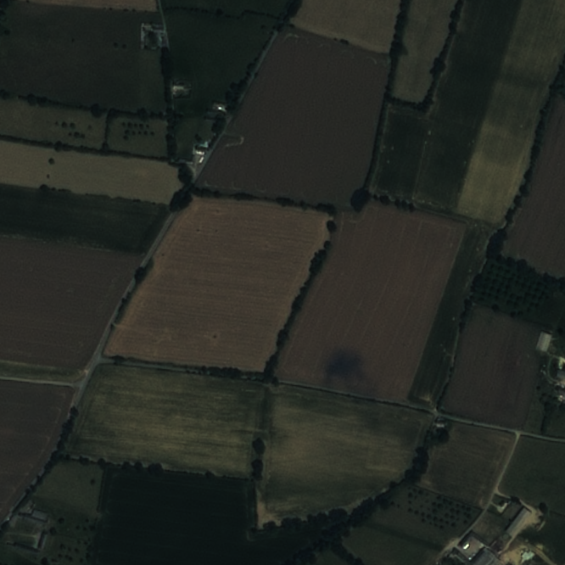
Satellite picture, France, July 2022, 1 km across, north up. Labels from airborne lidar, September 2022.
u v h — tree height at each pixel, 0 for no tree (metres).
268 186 0
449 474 0
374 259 0
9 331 0
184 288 0
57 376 0
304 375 0
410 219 0
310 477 0
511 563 0
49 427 0
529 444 0
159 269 0
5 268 0
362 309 0
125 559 0
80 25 0
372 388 0
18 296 0
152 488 0
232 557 0
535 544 0
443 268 0
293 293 0
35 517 0
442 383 0
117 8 0
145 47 7
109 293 0
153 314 0
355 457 0
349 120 0
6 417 0
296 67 0
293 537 0
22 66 0
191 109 0
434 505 6
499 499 0
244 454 0
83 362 0
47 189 9
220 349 0
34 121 0
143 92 0
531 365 0
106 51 0
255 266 0
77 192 0
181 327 0
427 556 0
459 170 0
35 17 0
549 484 0
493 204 0
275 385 9
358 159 0
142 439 0
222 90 0
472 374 0
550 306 0
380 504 20
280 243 0
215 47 0
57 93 0
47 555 0
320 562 0
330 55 0
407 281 0
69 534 0
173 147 16
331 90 0
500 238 20
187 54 0
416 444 0
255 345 0
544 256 0
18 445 0
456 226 0
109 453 0
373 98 0
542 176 0
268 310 0
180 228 0
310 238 0
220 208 0
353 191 0
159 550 0
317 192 0
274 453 0
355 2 0
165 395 0
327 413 0
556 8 0
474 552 0
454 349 0
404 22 13
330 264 0
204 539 0
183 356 0
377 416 0
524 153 0
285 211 0
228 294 0
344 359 0
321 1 0
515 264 20
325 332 0
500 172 0
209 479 13
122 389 0
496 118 0
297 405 0
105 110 7
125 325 0
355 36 0
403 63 0
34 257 0
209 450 0
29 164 0
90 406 0
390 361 0
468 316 9
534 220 0
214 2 0
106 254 0
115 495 0
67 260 0
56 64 0
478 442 0
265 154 0
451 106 0
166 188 0
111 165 0
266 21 0
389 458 0
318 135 0
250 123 0
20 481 0
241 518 0
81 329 0
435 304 0
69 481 0
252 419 0
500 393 0
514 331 0
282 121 0
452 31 14
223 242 0
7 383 0
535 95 0
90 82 0
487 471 0
